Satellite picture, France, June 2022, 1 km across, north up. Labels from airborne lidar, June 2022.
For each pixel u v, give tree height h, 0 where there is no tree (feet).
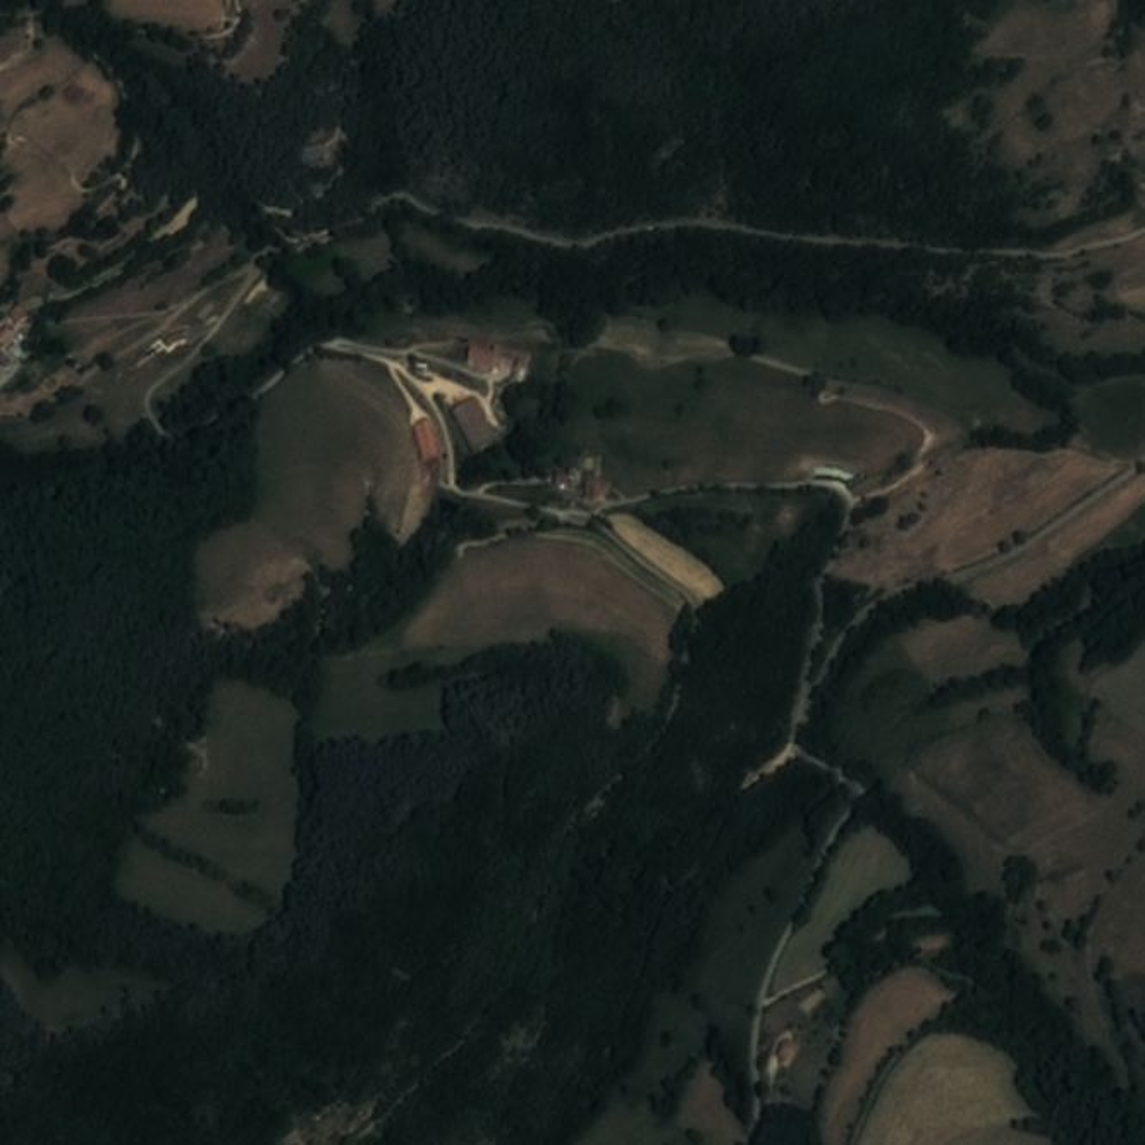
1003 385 0
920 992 0
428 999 34
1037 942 0
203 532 49
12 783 58
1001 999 34
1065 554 0
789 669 36
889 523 0
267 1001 50
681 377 0
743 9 53
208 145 66
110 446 50
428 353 0
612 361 0
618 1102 0
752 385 0
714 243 44
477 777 55
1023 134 0
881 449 0
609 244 46
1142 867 0
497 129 62
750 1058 0
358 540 46
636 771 65
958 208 34
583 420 0
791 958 0
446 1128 44
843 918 0
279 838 0
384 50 61
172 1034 45
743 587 34
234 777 0
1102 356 55
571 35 52
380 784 53
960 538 0
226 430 26
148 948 60
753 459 0
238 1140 41
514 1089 39
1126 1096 73
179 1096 57
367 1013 55
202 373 62
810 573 40
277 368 35
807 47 58
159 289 0
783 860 0
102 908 32
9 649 54
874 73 53
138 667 60
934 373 0
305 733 36
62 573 46
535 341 0
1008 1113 0
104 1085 59
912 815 20
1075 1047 45
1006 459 0
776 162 41
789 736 32
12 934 45
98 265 31
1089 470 0
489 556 0
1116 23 25
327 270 0
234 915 0
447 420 0
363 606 56
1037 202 22
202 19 0
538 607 0
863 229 30
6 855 51
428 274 86
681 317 0
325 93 46
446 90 42
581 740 39
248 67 0
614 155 37
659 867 72
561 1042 38
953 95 38
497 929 70
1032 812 0
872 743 0
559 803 46
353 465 0
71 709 63
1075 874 0
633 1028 52
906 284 54
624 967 35
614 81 45
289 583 0
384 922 52
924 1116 0
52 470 75
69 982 0
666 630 0
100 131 0
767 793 64
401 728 0
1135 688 0
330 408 0
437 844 48
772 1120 69
